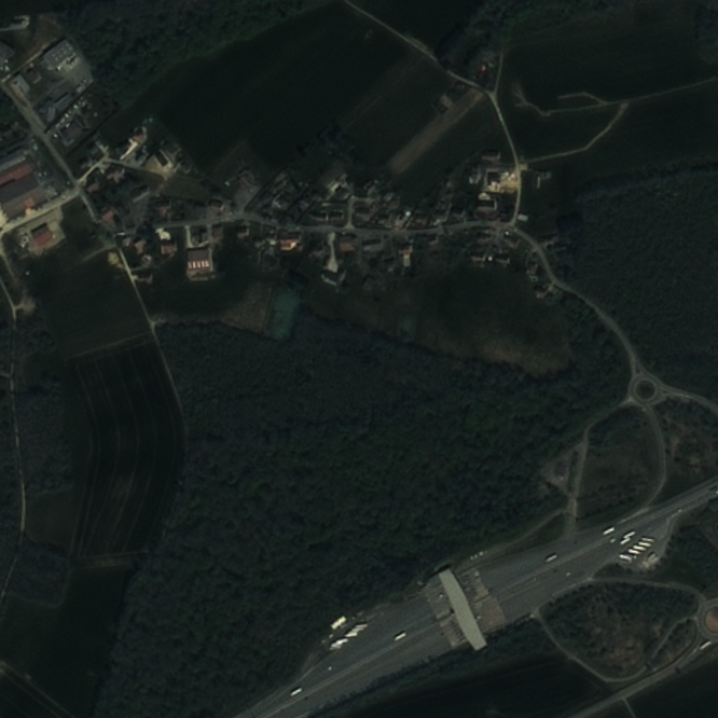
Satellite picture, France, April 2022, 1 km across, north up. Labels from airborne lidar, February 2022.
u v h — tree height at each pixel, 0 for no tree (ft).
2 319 0
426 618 0
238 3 75
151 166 0
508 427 84
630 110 0
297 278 57
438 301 0
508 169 0
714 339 68
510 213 60
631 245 47
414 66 0
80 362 0
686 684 0
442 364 76
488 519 70
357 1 0
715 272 61
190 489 77
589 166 0
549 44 0
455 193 23
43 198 0
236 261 0
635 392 0
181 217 18
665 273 46
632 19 0
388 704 0
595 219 62
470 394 75
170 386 0
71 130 0
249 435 80
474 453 69
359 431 83
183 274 0
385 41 0
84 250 0
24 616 0
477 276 0
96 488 0
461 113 0
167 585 91
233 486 96
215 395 34
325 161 0
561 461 0
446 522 87
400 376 71
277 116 0
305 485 82
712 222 64
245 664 75
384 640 0
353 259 31
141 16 66
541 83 0
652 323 49
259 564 65
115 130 0
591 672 0
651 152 0
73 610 0
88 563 0
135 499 0
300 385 45
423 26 0
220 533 86
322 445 84
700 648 0
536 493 44
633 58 0
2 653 0
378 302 32
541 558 0
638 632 0
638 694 0
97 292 0
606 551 0
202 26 86
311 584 81
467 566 0
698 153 0
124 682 76
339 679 0
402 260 0
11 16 0
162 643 88
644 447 0
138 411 0
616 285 53
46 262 0
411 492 76
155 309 0
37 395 63
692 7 0
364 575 61
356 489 84
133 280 0
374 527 74
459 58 0
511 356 0
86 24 82
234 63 0
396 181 0
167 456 0
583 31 0
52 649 0
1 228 0
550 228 0
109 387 0
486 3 59
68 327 0
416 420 81
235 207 27
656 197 43
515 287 0
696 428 32
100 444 0
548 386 65
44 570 78
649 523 0
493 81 59
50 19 0
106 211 0
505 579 0
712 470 0
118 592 0
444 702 0
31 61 0
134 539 0
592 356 97
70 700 0
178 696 68
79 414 0
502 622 0
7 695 0
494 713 0
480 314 0
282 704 0
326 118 0
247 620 78
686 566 0
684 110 0
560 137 0
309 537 70
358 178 0
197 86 0
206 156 0
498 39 57
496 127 0
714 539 0
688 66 0
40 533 0
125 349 0
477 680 0
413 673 42
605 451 0
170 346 42
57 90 0
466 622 0
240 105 0
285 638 47
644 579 0
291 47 0
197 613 80
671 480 0
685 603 45
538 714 0
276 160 0
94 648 0
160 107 0
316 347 67
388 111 0
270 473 83
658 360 63
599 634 0
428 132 0
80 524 0
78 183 0
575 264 62
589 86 0
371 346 82
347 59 0
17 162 0
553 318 0
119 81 79
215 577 81
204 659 79
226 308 0
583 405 71
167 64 72
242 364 47
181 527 57
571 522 0
